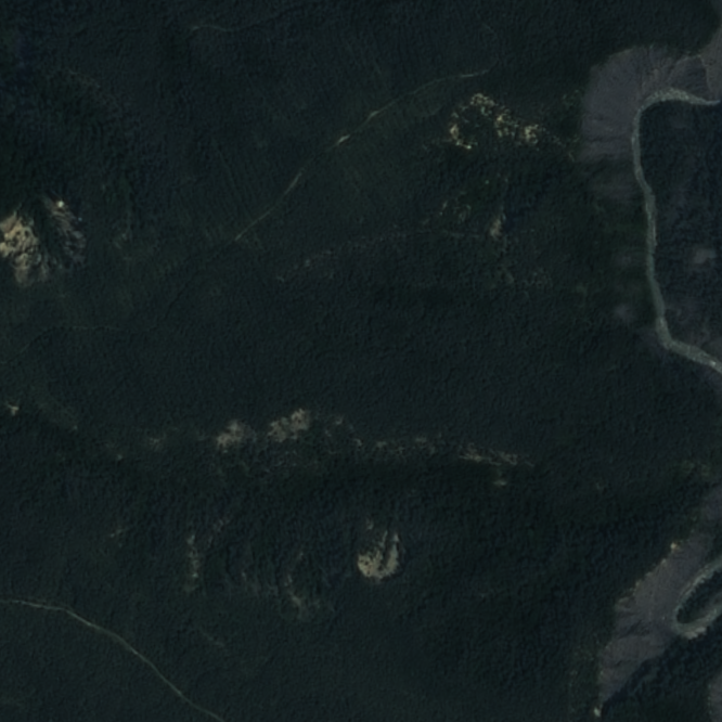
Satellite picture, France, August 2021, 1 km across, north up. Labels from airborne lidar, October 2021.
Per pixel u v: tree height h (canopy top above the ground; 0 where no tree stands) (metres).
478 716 7
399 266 12
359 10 14
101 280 7
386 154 7
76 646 7
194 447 9
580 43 14
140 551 8
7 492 12
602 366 10
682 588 0
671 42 13
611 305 11
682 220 6
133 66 14
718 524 12
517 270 14
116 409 6
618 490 13
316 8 13
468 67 8
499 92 9
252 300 9
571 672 7
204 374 10
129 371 10
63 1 14
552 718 7
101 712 8
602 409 13
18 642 6
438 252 9
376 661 6
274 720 9
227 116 15
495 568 15
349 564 6
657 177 12
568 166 8
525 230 9
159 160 14
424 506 12
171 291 8
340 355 9
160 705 6
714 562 0
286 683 10
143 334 9
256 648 6
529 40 12
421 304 13
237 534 11
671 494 19
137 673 7
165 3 14
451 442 14
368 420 10
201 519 9
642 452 14
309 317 13
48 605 6
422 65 11
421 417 10
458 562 16
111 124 15
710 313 10
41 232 9
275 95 8
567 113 12
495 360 14
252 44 15
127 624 8
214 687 11
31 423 14
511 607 17
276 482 12
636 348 15
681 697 13
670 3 15
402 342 14
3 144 18
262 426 10
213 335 10
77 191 9
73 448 14
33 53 11
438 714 8
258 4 17
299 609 11
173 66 19
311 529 13
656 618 0
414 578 9
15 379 6
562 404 11
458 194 7
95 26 14
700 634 10
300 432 9
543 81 10
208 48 7
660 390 9
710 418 16
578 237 11
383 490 8
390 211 6
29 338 7
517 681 17
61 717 13
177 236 7
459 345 13
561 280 12
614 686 0
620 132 0
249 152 7
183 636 14
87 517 9
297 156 8
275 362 10
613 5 17
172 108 14
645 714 12
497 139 12
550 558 18
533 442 13
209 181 8
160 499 8
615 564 19
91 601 12
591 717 8
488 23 8
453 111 6
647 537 18
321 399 8
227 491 15
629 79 0
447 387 13
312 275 13
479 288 14
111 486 11
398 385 11
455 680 9
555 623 18
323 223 7
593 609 18
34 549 9
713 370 0
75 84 8
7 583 6
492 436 8
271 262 10
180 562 6
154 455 9
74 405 8
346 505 7
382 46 11
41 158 15
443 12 12
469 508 13
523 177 17
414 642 10
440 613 13
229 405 8
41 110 11
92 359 9
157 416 12
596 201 32
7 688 6
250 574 10
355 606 10
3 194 14
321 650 7
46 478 16
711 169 11
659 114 9
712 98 0
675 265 10
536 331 14
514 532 16
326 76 9
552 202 10
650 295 7
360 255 11
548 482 17
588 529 21
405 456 12
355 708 9
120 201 12
